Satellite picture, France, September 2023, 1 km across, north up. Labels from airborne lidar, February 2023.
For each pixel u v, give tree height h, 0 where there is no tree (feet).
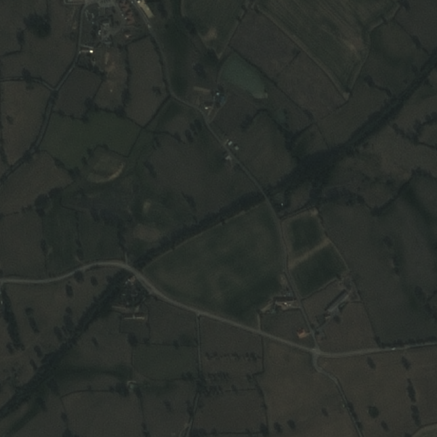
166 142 0
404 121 0
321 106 0
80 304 0
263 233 0
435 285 0
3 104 0
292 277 0
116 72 0
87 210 0
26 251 0
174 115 0
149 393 0
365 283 0
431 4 0
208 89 0
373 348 0
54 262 0
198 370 37
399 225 0
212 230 0
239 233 0
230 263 0
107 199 0
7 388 0
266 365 0
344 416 0
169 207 0
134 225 54
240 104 0
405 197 0
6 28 0
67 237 0
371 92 0
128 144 0
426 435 0
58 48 0
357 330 0
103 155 0
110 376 0
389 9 0
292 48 0
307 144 0
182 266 0
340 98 0
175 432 0
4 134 0
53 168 0
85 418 0
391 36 0
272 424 0
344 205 0
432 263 0
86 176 0
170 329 0
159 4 0
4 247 0
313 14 0
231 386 0
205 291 0
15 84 0
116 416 0
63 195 0
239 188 0
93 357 0
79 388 0
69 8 0
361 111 0
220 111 0
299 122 0
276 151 0
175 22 0
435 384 0
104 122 0
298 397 0
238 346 0
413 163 0
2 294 43
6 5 0
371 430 0
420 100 0
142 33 0
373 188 0
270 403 0
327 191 0
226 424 0
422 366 0
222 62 0
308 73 0
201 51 0
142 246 0
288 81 0
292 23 0
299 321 0
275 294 0
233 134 0
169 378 0
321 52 0
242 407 0
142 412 0
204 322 0
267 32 0
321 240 0
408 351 0
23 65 0
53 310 0
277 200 0
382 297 0
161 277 0
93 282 41
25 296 0
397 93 0
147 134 0
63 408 0
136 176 0
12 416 0
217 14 0
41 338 0
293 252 0
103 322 0
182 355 0
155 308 0
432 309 50
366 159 0
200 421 0
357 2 0
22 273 0
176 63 0
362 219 0
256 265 0
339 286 0
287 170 0
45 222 0
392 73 0
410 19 0
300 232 0
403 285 0
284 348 0
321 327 0
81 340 0
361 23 0
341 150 35
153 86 0
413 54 0
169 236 0
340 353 0
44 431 0
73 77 0
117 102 0
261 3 0
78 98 0
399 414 0
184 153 0
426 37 0
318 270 0
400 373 0
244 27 0
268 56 0
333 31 0
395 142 0
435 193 0
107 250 0
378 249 0
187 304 0
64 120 0
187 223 0
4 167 0
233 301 0
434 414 0
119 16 0
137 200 0
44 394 0
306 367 0
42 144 0
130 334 0
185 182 0
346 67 0
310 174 47
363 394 0
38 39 0
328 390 0
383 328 0
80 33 0
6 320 46
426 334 0
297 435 0
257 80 0
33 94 0
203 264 0
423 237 0
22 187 0
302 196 0
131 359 0
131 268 0
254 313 0
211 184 0
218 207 0
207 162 0
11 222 0
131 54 0
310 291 0
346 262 0
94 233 0
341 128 0
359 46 0
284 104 0
